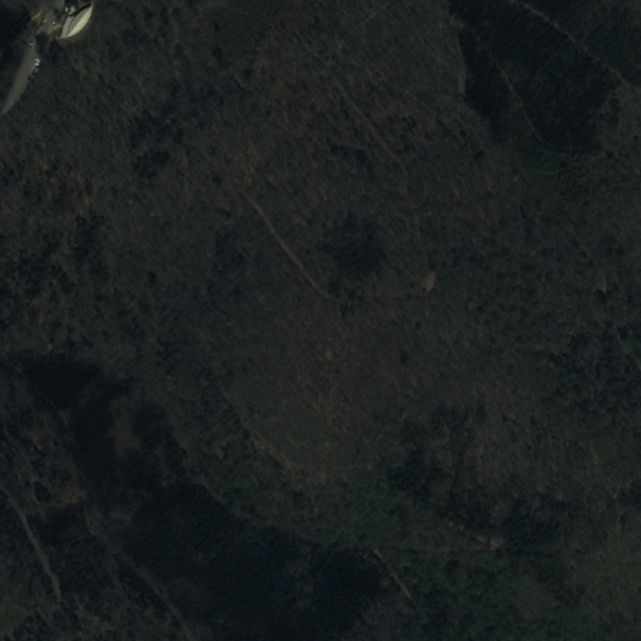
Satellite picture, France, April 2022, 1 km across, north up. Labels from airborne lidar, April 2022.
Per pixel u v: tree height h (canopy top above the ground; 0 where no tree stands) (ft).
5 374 44
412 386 75
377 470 73
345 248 66
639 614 56
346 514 79
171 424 61
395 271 59
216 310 71
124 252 105
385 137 88
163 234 92
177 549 52
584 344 78
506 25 46
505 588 65
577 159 33
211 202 58
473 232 86
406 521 86
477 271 66
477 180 103
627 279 110
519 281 73
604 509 44
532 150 25
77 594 72
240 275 83
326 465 56
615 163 25
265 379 57
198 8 26
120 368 68
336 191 35
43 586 74
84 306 98
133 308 90
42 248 92
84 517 64
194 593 46
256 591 56
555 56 32
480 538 39
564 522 55
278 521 94
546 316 31
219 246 85
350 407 84
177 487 53
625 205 47
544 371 74
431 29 90
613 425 64
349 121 61
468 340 44
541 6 39
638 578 44
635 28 25
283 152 61
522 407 46
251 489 77
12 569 73
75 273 90
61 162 86
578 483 54
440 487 79
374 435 89
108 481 51
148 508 53
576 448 55
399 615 108
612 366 56
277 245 68
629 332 70
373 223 53
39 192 88
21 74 0
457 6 46
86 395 52
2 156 87
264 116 47
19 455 108
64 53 78
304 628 42
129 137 79
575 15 57
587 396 80
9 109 0
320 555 59
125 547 49
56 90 94
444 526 64
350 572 39
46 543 52
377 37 85
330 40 91
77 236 72
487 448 55
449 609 98
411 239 27
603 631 65
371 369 78
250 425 63
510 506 66
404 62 69
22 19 52
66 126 89
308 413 61
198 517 60
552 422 59
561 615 52
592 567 50
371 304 61
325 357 63
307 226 65
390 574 55
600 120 32
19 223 75
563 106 43
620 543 52
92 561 50
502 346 25
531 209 97
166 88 54
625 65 39
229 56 22
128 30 70
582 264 78
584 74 43
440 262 50
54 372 58
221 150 59
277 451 57
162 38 66
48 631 94
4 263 94
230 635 42
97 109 35
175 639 64
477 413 48
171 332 88
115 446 51
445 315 55
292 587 44
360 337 51
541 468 53
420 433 72
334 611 42
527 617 25
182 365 83
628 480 76
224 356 64
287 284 61
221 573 62
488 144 92
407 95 91
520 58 42
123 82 118
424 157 71
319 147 39
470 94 46
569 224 96
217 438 82
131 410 57
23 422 65
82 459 55
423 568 89
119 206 94
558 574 65
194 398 55
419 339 54
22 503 97
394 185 60
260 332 53
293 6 30
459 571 74
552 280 74
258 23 19
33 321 102
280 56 63
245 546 48
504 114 63
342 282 64
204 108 48
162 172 68
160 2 72
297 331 61
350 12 81
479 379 55
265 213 49
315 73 79
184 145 67
